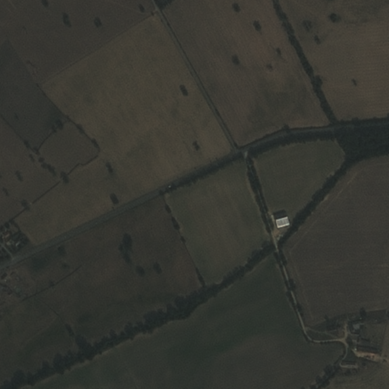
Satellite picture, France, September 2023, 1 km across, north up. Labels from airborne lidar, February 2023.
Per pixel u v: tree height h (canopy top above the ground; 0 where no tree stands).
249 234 0
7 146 0
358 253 0
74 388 0
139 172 0
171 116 0
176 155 0
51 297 0
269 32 0
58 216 0
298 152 0
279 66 0
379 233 0
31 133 0
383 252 0
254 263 7
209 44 0
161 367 0
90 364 0
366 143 21
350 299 0
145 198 0
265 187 0
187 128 0
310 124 0
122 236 0
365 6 0
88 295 0
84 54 0
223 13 0
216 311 0
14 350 0
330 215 0
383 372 0
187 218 0
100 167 0
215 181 0
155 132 0
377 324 0
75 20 0
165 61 0
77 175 0
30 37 0
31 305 0
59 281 0
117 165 0
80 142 0
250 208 0
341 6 0
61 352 0
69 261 0
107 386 0
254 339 0
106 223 0
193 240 0
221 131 0
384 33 0
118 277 0
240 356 0
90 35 0
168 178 0
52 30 0
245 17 0
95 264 0
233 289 0
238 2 0
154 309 0
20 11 0
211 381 0
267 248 19
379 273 0
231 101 0
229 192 0
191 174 0
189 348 0
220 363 0
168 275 0
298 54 12
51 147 0
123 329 0
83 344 25
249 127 0
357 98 0
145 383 0
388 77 0
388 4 0
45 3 15
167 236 0
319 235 0
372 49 0
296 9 0
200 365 0
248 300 0
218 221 0
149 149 0
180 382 0
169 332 0
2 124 0
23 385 0
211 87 0
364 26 0
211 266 0
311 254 0
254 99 0
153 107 0
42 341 0
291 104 0
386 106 0
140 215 0
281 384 0
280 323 0
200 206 0
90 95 0
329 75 0
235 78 0
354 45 0
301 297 0
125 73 0
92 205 0
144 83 0
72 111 0
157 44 0
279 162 0
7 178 0
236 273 15
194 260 0
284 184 0
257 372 0
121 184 0
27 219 0
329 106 8
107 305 0
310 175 0
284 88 0
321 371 0
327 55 0
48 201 0
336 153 0
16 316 0
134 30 0
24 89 0
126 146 0
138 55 0
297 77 0
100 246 0
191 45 0
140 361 0
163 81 0
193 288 0
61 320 0
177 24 0
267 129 0
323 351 0
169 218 0
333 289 0
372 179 0
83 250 0
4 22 0
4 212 0
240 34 0
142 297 0
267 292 0
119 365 0
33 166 0
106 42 0
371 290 0
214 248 0
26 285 0
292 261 0
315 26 0
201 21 0
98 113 0
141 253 0
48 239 0
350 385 0
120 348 0
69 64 0
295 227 13
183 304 21
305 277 0
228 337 0
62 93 0
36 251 0
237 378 0
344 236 0
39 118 0
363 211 0
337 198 0
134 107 0
